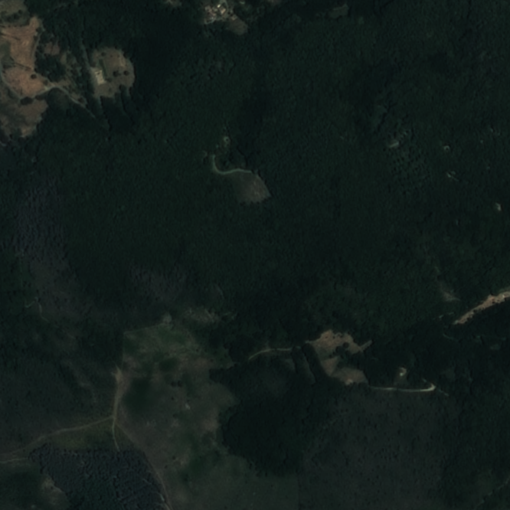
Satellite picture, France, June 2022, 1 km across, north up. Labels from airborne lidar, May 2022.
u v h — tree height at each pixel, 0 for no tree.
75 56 9
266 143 15
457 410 6
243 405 10
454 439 6
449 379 8
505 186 17
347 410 7
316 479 6
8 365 10
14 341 17
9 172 10
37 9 14
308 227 19
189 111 15
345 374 0
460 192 15
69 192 16
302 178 13
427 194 11
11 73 0
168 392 0
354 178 25
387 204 20
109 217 18
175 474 0
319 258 14
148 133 18
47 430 0
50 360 10
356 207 19
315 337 15
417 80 14
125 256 16
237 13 10
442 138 16
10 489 6
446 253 8
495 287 19
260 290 15
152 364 0
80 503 12
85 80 12
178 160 15
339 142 13
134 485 23
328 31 16
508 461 11
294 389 14
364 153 24
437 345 14
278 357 9
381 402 6
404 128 12
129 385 0
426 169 8
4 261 18
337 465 7
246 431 15
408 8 20
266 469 12
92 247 16
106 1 22
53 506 0
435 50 14
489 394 18
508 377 14
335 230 16
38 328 6
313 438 10
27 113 0
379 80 14
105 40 18
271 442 20
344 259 19
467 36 11
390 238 17
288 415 13
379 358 17
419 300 19
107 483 27
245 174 0
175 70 19
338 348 18
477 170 15
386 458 7
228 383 7
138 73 16
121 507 29
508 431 16
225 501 0
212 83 18
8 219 13
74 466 18
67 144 22
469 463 15
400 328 24
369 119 19
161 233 18
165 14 22
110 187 18
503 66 13
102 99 12
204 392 0
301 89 16
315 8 12
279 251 17
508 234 14
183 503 0
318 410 12
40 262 9
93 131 23
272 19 12
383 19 18
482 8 12
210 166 17
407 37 10
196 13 6
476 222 16
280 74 16
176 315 8
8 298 8
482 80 13
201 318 0
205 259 18
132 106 23
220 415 6
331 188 15
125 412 0
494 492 8
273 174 14
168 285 7
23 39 0
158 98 21
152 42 22
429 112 18
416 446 8
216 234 13
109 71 0
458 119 17
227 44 12
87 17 19
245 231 19
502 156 15
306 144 10
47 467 19
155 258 17
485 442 12
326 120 16
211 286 10
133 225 19
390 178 17
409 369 7
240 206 11
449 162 14
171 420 0
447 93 25
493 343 14
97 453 19
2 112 0
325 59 12
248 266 17
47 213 12
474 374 15
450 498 11
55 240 10
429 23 13
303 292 12
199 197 22
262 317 27
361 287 16
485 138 17
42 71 13
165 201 19
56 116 17
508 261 20
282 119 18
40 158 15
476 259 10
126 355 0
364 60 14
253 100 25
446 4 18
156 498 17
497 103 18
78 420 0
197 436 0
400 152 12
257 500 0
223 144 17
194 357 0
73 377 11
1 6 0
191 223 16
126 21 19
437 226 8
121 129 22
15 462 0
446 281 9
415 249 11
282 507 0
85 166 16
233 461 0
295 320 17
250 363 9
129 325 8
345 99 13
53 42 17
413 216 17
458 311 11
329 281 6
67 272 8
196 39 25
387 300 19
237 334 17
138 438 0
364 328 17
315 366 15
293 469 12
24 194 10
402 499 0
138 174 18
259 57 19
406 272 12
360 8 12
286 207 18
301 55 15
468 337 16
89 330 10
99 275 18
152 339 0
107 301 9
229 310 16
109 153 24
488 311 16
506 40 15
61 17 20
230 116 18
